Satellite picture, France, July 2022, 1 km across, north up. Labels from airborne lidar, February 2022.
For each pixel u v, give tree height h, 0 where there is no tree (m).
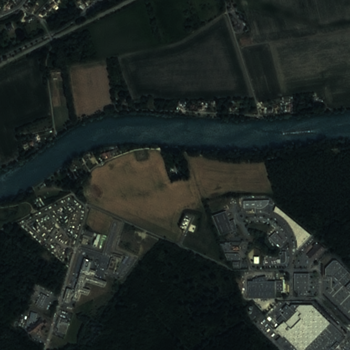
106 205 0
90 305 0
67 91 30
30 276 18
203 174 0
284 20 0
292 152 22
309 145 24
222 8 6
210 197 0
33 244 6
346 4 0
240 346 21
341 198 17
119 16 0
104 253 0
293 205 8
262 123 0
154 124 0
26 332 14
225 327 25
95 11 21
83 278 0
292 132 0
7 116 0
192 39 0
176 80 0
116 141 0
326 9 0
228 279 19
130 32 0
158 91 0
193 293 7
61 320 0
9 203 15
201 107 0
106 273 0
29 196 20
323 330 0
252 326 10
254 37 0
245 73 0
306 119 0
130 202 0
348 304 0
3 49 15
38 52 16
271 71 0
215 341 21
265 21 0
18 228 18
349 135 0
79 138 0
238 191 0
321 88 0
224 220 0
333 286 0
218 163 0
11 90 0
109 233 0
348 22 0
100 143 0
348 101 0
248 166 0
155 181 0
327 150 17
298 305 0
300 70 0
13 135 0
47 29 0
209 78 0
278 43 0
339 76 0
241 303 6
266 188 0
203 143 0
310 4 0
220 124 0
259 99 0
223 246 0
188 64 0
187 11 9
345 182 18
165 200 0
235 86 0
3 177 0
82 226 0
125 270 0
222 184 0
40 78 0
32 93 0
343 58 0
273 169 16
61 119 0
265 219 0
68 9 24
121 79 9
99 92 0
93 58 11
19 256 19
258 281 0
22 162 16
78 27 0
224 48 0
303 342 0
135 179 0
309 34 0
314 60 0
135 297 7
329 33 0
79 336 14
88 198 0
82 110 0
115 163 0
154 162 0
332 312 0
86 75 0
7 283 27
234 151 26
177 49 0
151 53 0
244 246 0
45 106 0
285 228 0
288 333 0
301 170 17
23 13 10
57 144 0
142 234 0
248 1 0
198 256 16
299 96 12
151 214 0
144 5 0
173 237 0
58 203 0
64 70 29
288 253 0
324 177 18
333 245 6
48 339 0
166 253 19
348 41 0
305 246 0
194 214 0
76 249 0
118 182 0
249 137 0
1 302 26
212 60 0
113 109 17
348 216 17
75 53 21
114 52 0
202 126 0
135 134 0
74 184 31
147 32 0
